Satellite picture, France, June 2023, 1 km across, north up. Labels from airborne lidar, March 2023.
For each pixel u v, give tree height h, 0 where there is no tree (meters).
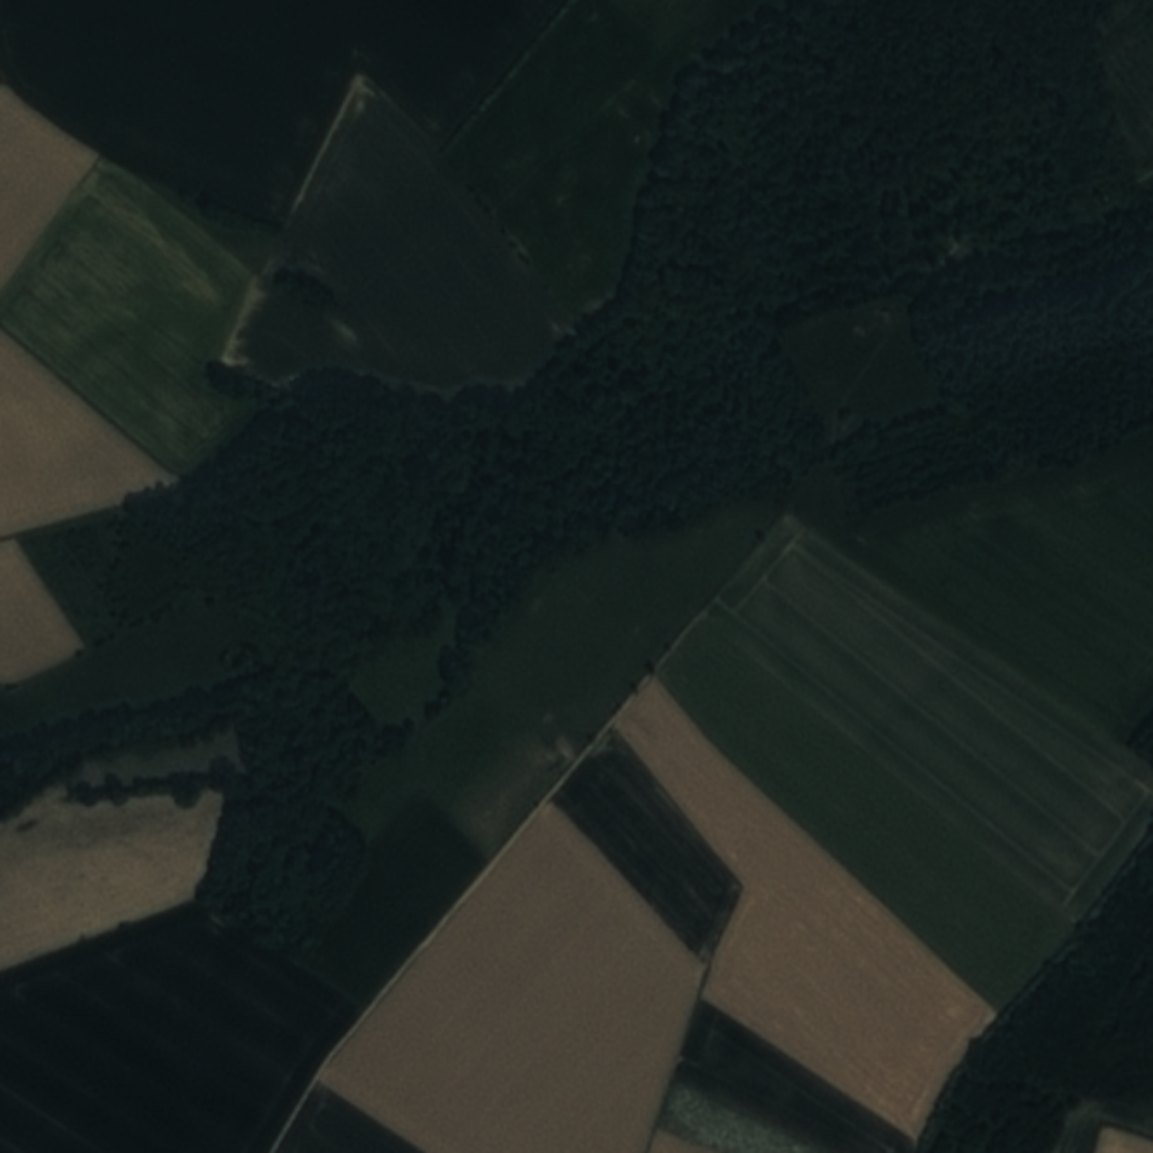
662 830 0
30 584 0
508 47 0
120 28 0
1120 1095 15
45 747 26
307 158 0
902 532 0
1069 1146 0
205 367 0
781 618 0
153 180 0
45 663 0
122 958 0
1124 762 0
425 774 0
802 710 0
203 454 0
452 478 34
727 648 0
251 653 6
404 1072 0
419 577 38
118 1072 0
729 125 26
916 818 0
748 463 26
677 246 27
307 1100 0
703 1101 0
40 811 0
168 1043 0
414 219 0
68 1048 0
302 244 0
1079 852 0
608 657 0
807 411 12
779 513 0
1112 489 0
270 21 0
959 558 0
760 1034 0
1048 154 18
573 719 0
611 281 0
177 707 16
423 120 0
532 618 0
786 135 24
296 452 33
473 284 0
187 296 0
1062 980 16
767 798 0
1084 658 0
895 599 0
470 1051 0
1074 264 10
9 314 0
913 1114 0
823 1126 0
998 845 0
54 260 0
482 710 0
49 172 0
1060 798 0
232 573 25
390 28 0
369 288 0
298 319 0
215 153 0
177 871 0
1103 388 13
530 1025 0
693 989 0
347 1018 0
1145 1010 15
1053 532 0
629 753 0
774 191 13
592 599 0
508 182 0
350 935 0
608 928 0
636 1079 0
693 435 25
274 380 0
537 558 24
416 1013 0
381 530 31
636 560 0
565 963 0
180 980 0
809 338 0
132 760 0
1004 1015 6
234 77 0
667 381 18
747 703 0
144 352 0
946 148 26
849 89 25
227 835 21
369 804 0
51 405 0
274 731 25
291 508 31
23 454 0
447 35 0
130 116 0
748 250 29
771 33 18
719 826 0
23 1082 0
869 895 0
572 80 0
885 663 0
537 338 0
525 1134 0
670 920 0
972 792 0
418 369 0
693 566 0
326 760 24
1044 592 0
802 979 0
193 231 0
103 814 0
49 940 0
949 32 24
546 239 0
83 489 0
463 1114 0
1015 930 0
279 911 27
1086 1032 14
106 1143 0
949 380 25
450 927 0
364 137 0
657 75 0
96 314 0
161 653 0
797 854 0
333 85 0
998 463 18
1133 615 0
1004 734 0
